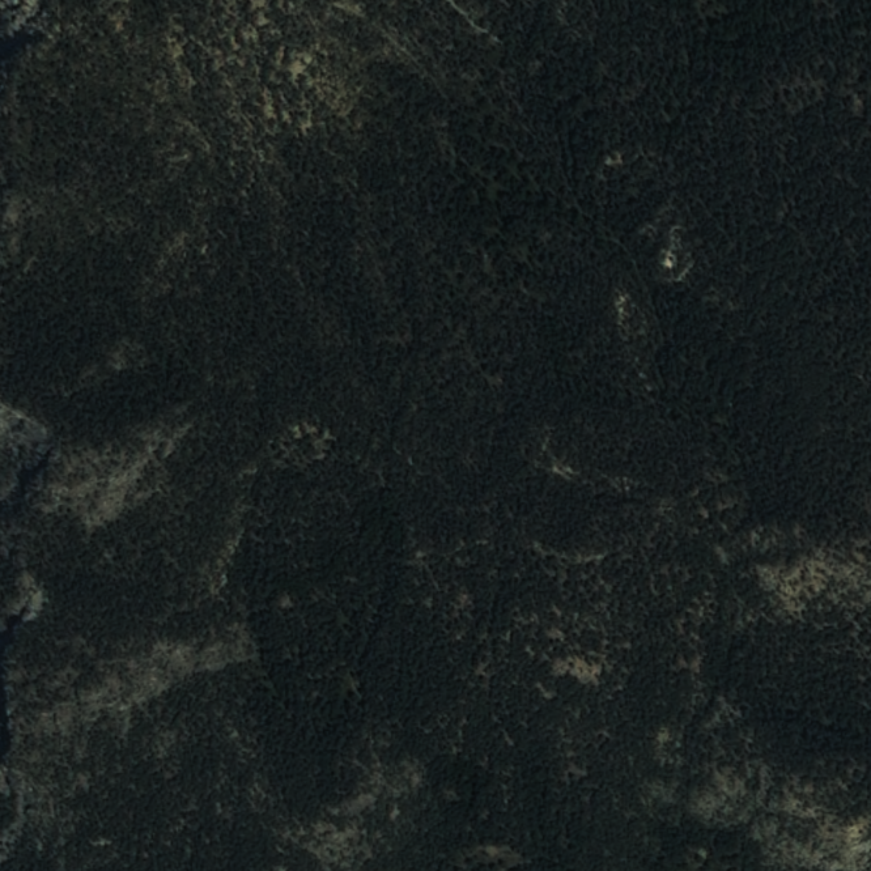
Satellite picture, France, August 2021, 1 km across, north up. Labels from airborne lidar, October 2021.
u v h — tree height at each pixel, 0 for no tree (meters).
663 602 11
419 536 6
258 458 7
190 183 8
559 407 11
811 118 18
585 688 10
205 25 11
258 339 12
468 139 11
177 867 8
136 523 11
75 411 15
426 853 12
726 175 17
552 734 10
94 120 9
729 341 14
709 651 12
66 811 6
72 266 11
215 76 10
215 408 8
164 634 7
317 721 13
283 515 12
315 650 14
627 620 13
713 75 16
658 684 13
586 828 13
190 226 8
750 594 13
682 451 8
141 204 11
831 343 14
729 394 17
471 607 7
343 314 7
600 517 13
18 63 7
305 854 10
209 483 9
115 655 8
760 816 6
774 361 10
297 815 8
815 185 14
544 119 14
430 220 14
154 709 14
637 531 11
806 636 11
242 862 11
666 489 10
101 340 13
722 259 6
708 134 17
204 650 9
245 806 9
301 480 13
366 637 21
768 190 15
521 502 13
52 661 13
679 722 7
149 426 10
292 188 11
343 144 8
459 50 18
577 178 23
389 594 12
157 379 12
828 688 15
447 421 10
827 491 10
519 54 14
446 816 13
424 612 18
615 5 12
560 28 10
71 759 7
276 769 10
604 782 9
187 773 8
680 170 14
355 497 13
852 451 13
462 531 7
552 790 14
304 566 17
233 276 9
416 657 10
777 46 14
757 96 16
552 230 13
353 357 9
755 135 17
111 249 13
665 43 14
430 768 15
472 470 7
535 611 11
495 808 15
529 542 6
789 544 7
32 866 7
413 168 16
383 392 11
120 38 6
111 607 9
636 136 19
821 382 18
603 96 16
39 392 11
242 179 9
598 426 11
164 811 7
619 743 7
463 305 10
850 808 8
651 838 9
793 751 12
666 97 17
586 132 11
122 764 10
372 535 19
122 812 11
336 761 9
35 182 10
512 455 8
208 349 7
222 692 13
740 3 21
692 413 11
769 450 8
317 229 13
